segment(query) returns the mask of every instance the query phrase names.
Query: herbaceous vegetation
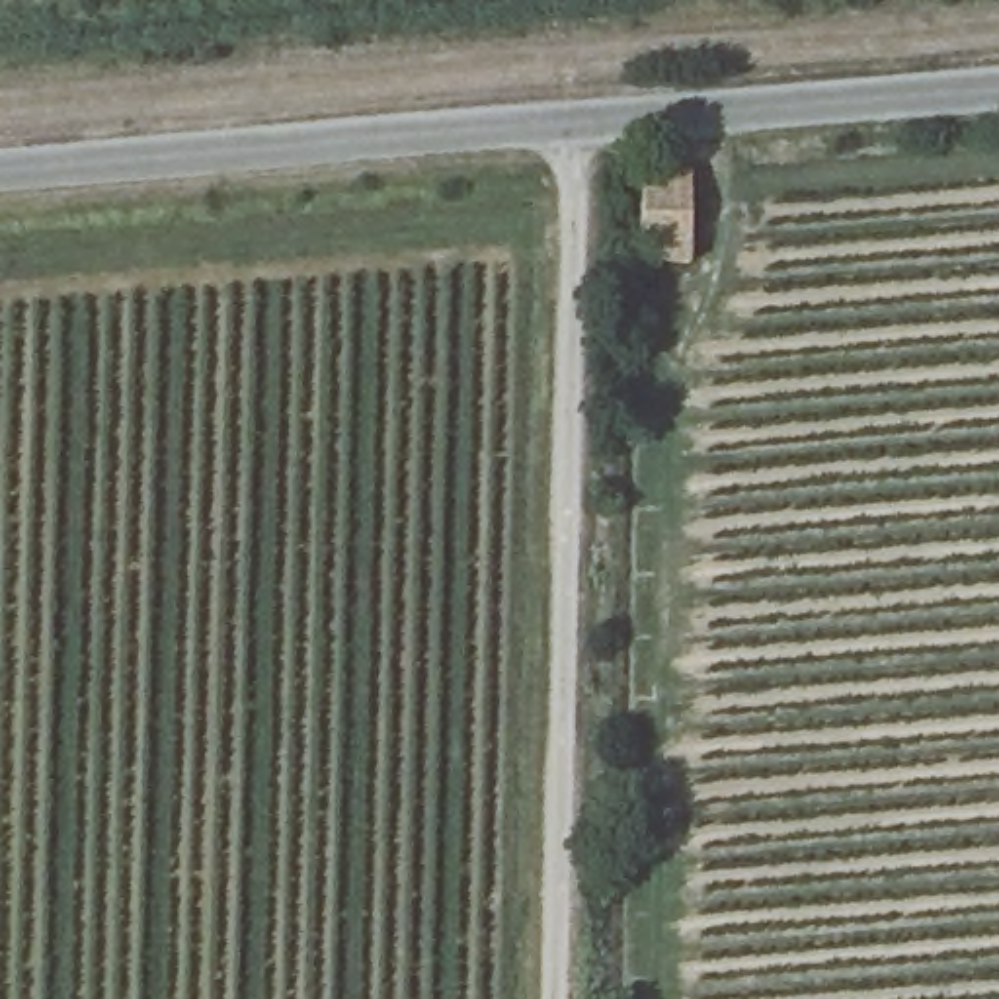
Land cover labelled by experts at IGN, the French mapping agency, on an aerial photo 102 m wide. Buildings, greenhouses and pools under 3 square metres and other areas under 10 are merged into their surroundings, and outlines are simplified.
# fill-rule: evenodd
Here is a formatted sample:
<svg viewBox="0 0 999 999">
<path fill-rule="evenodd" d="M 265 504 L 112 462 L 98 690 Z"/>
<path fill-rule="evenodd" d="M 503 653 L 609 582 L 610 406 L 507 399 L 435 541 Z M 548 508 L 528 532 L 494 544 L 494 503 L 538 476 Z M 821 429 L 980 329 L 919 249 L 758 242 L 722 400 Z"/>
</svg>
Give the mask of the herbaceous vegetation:
<svg viewBox="0 0 999 999">
<path fill-rule="evenodd" d="M 70 199 L 74 191 L 43 187 L 0 195 L 0 219 L 39 215 L 51 203 Z"/>
<path fill-rule="evenodd" d="M 496 277 L 500 265 L 515 254 L 507 246 L 441 246 L 398 254 L 363 250 L 254 265 L 203 261 L 125 273 L 0 281 L 0 304 L 133 289 L 164 293 L 187 285 L 219 289 L 219 300 L 230 300 L 234 281 L 293 281 L 402 269 L 410 273 L 425 265 L 480 261 L 480 343 L 484 355 L 496 355 Z"/>
<path fill-rule="evenodd" d="M 500 148 L 437 156 L 457 176 L 480 164 L 531 164 L 535 156 L 527 148 Z"/>
<path fill-rule="evenodd" d="M 675 156 L 683 176 L 691 176 L 695 183 L 695 254 L 702 258 L 714 250 L 718 234 L 722 203 L 710 160 L 726 133 L 718 101 L 691 98 L 663 109 L 679 140 Z"/>
<path fill-rule="evenodd" d="M 628 410 L 644 421 L 648 433 L 667 437 L 687 398 L 679 382 L 659 379 L 663 351 L 671 351 L 679 340 L 679 281 L 675 261 L 667 261 L 648 265 L 605 258 L 620 293 L 617 320 L 648 340 L 640 371 L 628 379 Z"/>
<path fill-rule="evenodd" d="M 784 187 L 777 203 L 823 203 L 909 191 L 901 183 L 819 183 Z"/>
<path fill-rule="evenodd" d="M 31 70 L 0 70 L 0 148 L 234 125 L 379 117 L 418 109 L 570 101 L 624 94 L 628 86 L 620 70 L 636 55 L 718 43 L 714 31 L 722 27 L 777 31 L 792 20 L 769 12 L 761 0 L 683 0 L 656 12 L 644 31 L 620 35 L 601 35 L 581 23 L 554 20 L 523 39 L 371 39 L 347 47 L 289 47 L 265 62 L 230 62 L 234 43 L 219 43 L 226 62 L 207 66 L 125 62 L 117 74 L 101 74 L 90 62 L 51 62 Z"/>
<path fill-rule="evenodd" d="M 628 726 L 632 761 L 648 804 L 648 831 L 632 843 L 632 866 L 613 886 L 613 898 L 601 913 L 617 921 L 624 898 L 652 878 L 656 866 L 675 859 L 675 851 L 691 835 L 695 808 L 695 796 L 687 788 L 687 761 L 663 757 L 663 738 L 648 710 L 628 710 L 617 710 L 617 722 Z"/>
<path fill-rule="evenodd" d="M 784 86 L 999 66 L 999 47 L 964 47 L 901 59 L 753 62 L 741 47 L 722 43 L 714 59 L 730 86 Z"/>
<path fill-rule="evenodd" d="M 414 160 L 363 160 L 340 168 L 320 164 L 308 172 L 258 172 L 246 180 L 250 187 L 308 187 L 328 180 L 359 180 L 367 172 L 410 172 Z"/>
</svg>

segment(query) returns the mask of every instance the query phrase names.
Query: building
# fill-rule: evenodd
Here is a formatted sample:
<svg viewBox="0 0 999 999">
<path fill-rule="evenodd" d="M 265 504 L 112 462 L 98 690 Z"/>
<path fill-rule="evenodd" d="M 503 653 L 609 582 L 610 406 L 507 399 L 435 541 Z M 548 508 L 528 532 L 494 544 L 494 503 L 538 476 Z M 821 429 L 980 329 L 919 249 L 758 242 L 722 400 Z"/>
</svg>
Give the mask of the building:
<svg viewBox="0 0 999 999">
<path fill-rule="evenodd" d="M 683 176 L 675 176 L 671 183 L 644 187 L 640 195 L 640 222 L 675 226 L 667 261 L 675 261 L 679 281 L 702 269 L 702 258 L 695 254 L 695 183 L 691 176 Z"/>
</svg>

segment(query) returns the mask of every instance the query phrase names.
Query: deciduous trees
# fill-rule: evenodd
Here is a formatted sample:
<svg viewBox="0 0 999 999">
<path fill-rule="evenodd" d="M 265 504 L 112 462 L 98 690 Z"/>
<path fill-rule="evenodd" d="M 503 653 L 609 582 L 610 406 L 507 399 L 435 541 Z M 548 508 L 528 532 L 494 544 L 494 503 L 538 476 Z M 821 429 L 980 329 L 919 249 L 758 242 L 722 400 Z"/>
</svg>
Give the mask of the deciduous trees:
<svg viewBox="0 0 999 999">
<path fill-rule="evenodd" d="M 632 761 L 628 726 L 617 722 L 617 710 L 628 710 L 628 652 L 617 652 L 609 659 L 609 620 L 589 624 L 578 636 L 578 819 L 566 843 L 578 882 L 578 905 L 589 921 L 597 921 L 601 913 L 613 898 L 613 886 L 632 866 L 632 843 L 648 831 L 648 804 Z"/>
<path fill-rule="evenodd" d="M 761 0 L 769 12 L 792 20 L 823 20 L 851 8 L 890 12 L 898 0 Z"/>
<path fill-rule="evenodd" d="M 347 47 L 371 39 L 523 39 L 554 20 L 581 23 L 601 35 L 620 35 L 644 31 L 656 12 L 683 0 L 0 0 L 0 70 L 31 70 L 51 62 L 90 62 L 101 74 L 117 74 L 125 62 L 207 66 L 226 62 L 219 43 L 234 43 L 230 62 L 265 62 L 289 47 Z"/>
<path fill-rule="evenodd" d="M 663 109 L 628 121 L 624 137 L 613 140 L 593 160 L 589 265 L 574 293 L 585 347 L 581 507 L 617 515 L 620 500 L 609 492 L 613 449 L 644 441 L 648 433 L 644 421 L 628 410 L 628 379 L 640 371 L 648 340 L 617 320 L 620 293 L 605 258 L 648 265 L 667 261 L 675 226 L 640 222 L 640 195 L 644 187 L 671 183 L 675 176 L 683 176 L 675 156 L 679 140 Z"/>
<path fill-rule="evenodd" d="M 125 187 L 74 191 L 70 199 L 51 203 L 39 215 L 0 219 L 0 281 L 125 273 L 203 261 L 254 265 L 363 250 L 398 254 L 441 246 L 507 246 L 515 254 L 519 246 L 539 246 L 546 238 L 546 226 L 558 222 L 558 183 L 542 156 L 535 156 L 531 164 L 480 164 L 457 176 L 437 156 L 414 160 L 410 172 L 367 172 L 359 180 L 328 180 L 308 187 L 250 187 L 246 180 L 215 180 L 207 191 L 187 191 L 180 183 L 148 183 L 133 195 Z"/>
<path fill-rule="evenodd" d="M 636 55 L 620 70 L 628 86 L 730 86 L 714 59 L 722 43 L 718 43 Z"/>
<path fill-rule="evenodd" d="M 738 199 L 777 203 L 784 187 L 819 183 L 901 183 L 909 191 L 999 187 L 999 109 L 976 117 L 843 125 L 835 140 L 812 156 L 788 164 L 753 164 L 741 156 L 730 164 Z"/>
</svg>

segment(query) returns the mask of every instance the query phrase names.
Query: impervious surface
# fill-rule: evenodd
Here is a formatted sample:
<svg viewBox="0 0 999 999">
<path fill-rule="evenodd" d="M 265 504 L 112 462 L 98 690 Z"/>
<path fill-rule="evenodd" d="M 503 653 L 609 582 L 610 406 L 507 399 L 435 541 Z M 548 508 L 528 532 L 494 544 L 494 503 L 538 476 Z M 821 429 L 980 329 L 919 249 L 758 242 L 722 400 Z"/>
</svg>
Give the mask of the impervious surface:
<svg viewBox="0 0 999 999">
<path fill-rule="evenodd" d="M 258 172 L 308 172 L 320 164 L 340 168 L 363 160 L 414 160 L 437 156 L 500 148 L 527 148 L 535 156 L 542 156 L 546 140 L 613 140 L 624 137 L 628 121 L 663 109 L 691 98 L 718 101 L 726 133 L 843 125 L 976 117 L 999 109 L 999 66 L 784 86 L 730 86 L 628 86 L 624 94 L 570 101 L 418 109 L 379 117 L 234 125 L 0 148 L 0 195 L 43 187 L 74 191 L 125 187 L 133 195 L 148 183 L 180 183 L 187 191 L 207 191 L 215 180 L 246 180 Z"/>
</svg>

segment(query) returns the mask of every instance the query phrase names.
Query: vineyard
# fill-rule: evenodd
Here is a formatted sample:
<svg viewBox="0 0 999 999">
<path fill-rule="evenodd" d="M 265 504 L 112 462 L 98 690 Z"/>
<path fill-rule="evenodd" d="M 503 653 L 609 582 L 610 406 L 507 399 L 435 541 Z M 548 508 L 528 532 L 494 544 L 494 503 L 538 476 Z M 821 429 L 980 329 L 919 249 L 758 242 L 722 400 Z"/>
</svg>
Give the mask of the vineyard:
<svg viewBox="0 0 999 999">
<path fill-rule="evenodd" d="M 133 289 L 0 304 L 0 999 L 542 999 L 542 804 L 550 741 L 550 453 L 562 261 L 558 222 L 546 226 L 546 238 L 539 246 L 519 246 L 515 254 L 500 265 L 496 277 L 496 355 L 484 355 L 480 343 L 480 261 L 425 265 L 410 273 L 402 269 L 293 281 L 234 281 L 230 300 L 219 300 L 219 289 L 187 285 L 164 293 Z"/>
<path fill-rule="evenodd" d="M 659 379 L 679 382 L 687 398 L 667 437 L 648 433 L 644 441 L 613 449 L 609 492 L 620 500 L 617 515 L 581 507 L 578 636 L 589 624 L 609 620 L 609 659 L 617 652 L 628 652 L 628 710 L 648 710 L 663 738 L 663 757 L 687 761 L 687 788 L 695 796 L 695 808 L 691 835 L 675 851 L 675 859 L 656 866 L 652 878 L 624 898 L 617 921 L 601 913 L 597 921 L 589 921 L 578 905 L 570 937 L 570 999 L 999 999 L 999 187 L 909 191 L 823 203 L 777 203 L 738 199 L 730 164 L 741 156 L 753 164 L 788 164 L 812 156 L 835 140 L 843 125 L 726 133 L 710 160 L 722 203 L 718 234 L 714 250 L 702 258 L 702 269 L 679 281 L 679 340 L 671 351 L 663 351 Z"/>
</svg>

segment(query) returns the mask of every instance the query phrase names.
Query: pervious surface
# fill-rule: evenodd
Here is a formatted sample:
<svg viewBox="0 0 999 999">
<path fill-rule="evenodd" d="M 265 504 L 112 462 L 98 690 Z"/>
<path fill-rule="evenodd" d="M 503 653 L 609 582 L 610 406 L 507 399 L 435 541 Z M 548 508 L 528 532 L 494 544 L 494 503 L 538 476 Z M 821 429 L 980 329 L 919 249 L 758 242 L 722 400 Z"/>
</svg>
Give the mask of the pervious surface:
<svg viewBox="0 0 999 999">
<path fill-rule="evenodd" d="M 722 27 L 714 31 L 718 43 L 722 43 L 741 47 L 753 62 L 901 59 L 964 47 L 999 47 L 999 0 L 898 0 L 890 12 L 851 8 L 823 20 L 792 20 L 777 31 Z"/>
<path fill-rule="evenodd" d="M 558 183 L 558 222 L 562 261 L 550 453 L 550 741 L 542 804 L 542 999 L 570 999 L 570 937 L 578 905 L 578 882 L 566 843 L 578 819 L 578 636 L 581 507 L 585 347 L 574 293 L 589 265 L 593 160 L 613 140 L 546 140 L 542 156 Z"/>
</svg>

